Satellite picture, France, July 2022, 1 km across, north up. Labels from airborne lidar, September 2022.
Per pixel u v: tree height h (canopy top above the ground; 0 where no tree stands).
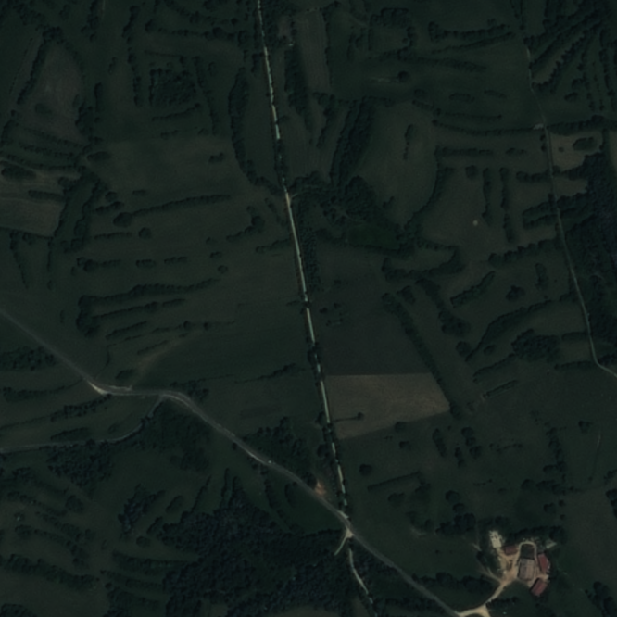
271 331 0
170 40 0
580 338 7
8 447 0
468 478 0
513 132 8
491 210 7
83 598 0
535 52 13
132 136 0
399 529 0
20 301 0
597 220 17
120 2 0
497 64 0
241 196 0
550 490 8
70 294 0
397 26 8
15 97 0
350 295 0
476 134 6
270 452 8
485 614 0
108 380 0
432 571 0
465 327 22
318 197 10
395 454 0
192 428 14
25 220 0
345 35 0
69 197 13
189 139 0
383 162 0
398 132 0
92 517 0
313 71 0
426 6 0
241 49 8
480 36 8
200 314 0
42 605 0
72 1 7
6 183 0
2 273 0
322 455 15
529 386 0
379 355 0
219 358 0
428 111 7
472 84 0
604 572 0
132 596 8
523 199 0
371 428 0
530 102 0
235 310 0
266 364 0
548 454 0
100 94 16
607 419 0
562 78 13
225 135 0
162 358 0
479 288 8
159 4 14
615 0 0
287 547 9
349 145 14
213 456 0
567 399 0
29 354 5
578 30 18
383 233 0
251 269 0
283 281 0
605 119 14
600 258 14
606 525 0
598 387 0
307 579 16
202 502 6
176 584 21
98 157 8
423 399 0
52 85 0
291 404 0
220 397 0
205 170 0
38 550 0
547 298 6
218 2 7
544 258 0
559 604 0
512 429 0
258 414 0
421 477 6
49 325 0
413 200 0
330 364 0
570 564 0
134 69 9
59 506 0
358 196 13
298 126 0
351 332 0
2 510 0
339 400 0
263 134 0
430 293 9
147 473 0
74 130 0
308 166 0
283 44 9
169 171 0
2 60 0
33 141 0
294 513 0
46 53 8
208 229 0
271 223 0
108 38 0
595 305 7
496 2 0
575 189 0
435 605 17
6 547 0
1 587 0
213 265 0
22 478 13
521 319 9
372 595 7
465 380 0
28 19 16
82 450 10
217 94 0
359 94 0
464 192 0
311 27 0
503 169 7
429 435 0
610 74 10
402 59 18
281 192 15
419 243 11
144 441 10
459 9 0
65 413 8
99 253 0
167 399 0
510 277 0
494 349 9
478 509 0
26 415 0
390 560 0
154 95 13
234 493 7
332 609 21
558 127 7
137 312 7
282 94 0
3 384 0
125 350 0
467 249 0
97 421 0
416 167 0
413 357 0
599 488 0
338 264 0
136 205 0
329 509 0
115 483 0
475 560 0
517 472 0
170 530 24
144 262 8
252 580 20
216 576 26
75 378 0
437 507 0
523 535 15
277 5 10
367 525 0
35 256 0
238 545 23
